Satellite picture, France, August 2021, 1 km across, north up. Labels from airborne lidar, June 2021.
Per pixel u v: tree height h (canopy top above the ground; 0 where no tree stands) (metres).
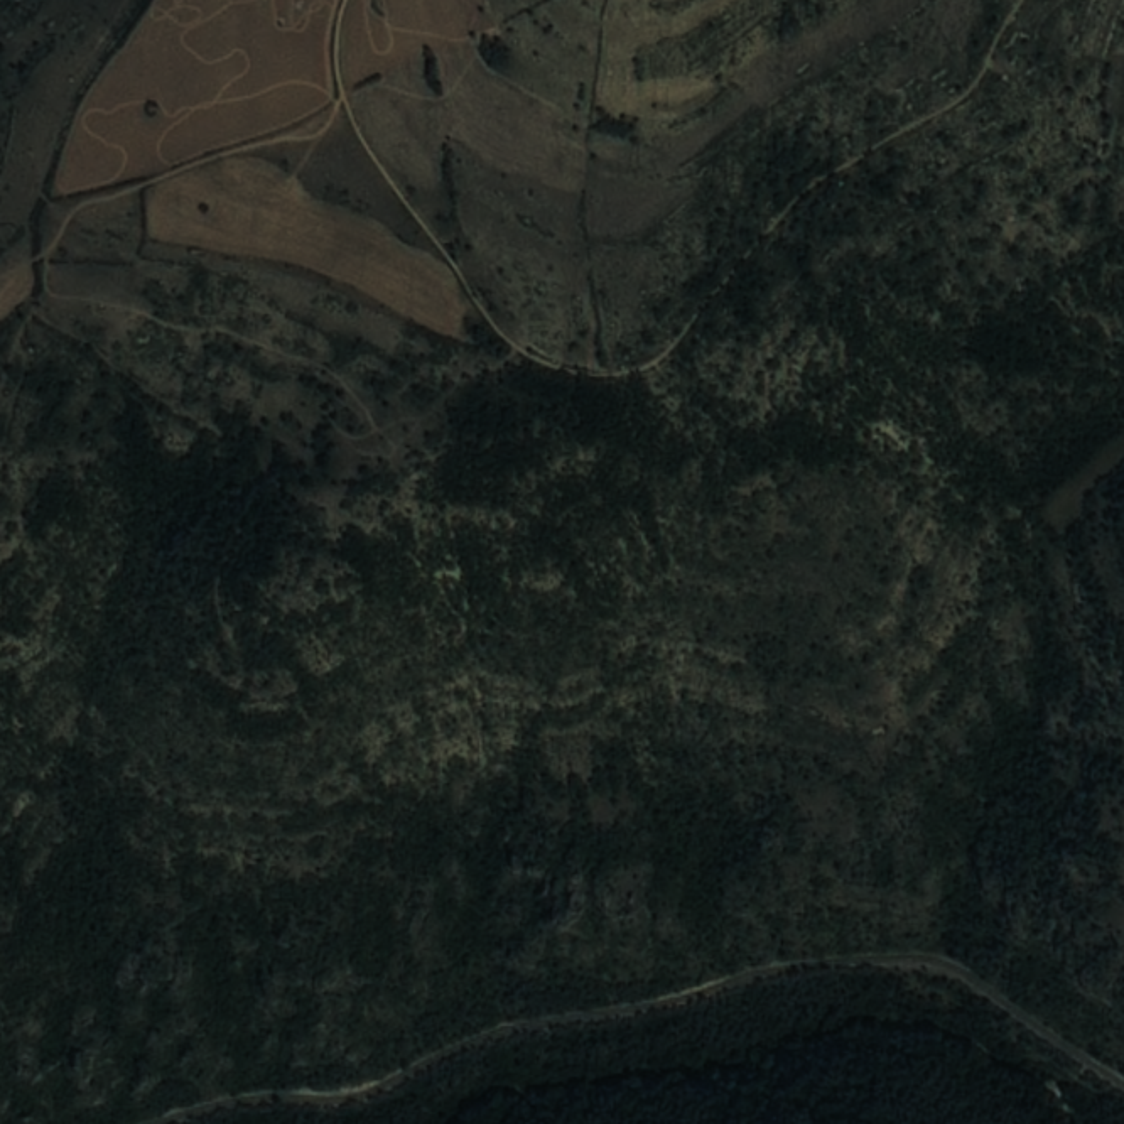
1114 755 7
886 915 10
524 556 6
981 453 8
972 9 0
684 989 9
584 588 9
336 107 0
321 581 6
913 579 7
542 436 6
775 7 0
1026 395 6
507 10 0
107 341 0
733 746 7
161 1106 9
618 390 10
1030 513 8
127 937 9
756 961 6
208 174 0
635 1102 18
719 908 11
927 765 8
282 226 0
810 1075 21
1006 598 7
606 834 9
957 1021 16
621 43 0
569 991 13
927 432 8
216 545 7
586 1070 21
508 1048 10
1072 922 5
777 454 7
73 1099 8
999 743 12
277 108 0
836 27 0
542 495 7
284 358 0
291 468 13
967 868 13
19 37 0
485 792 8
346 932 8
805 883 6
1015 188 7
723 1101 18
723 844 14
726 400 6
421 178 0
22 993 6
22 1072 14
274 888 5
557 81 0
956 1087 19
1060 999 8
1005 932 11
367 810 8
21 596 6
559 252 0
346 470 0
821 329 6
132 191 0
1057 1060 10
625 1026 11
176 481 10
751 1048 20
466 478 7
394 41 0
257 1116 10
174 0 0
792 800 11
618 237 0
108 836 9
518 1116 16
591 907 12
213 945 10
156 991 13
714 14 0
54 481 9
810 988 16
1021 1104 14
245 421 7
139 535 8
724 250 7
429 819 7
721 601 5
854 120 0
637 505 7
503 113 0
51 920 11
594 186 0
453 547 6
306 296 0
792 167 8
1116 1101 13
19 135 0
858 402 9
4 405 0
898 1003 10
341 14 0
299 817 7
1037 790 9
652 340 7
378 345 0
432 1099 12
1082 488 0
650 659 7
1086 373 8
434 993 6
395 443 0
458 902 12
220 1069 7
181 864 7
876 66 0
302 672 8
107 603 8
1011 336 11
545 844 11
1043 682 8
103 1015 9
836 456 9
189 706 6
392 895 8
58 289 0
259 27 0
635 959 9
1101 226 8
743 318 11
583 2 0
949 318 9
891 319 7
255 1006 8
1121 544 6
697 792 8
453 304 0
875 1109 18
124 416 8
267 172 0
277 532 8
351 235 0
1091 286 9
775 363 7
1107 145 7
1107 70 6
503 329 0
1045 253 7
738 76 0
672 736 9
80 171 0
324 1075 10
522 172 0
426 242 0
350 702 6
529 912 7
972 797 11
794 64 0
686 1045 12
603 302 0
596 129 7
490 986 8
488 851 9
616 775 7
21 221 0
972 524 8
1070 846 9
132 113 0
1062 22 0
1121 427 7
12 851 9
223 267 0
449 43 0
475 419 8
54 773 7
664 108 0
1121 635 8
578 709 6
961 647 6
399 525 7
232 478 8
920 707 0
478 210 0
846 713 0
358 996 10
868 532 8
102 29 0
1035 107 0
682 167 0
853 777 11
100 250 0
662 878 9
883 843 6
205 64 0
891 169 7
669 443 9
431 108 0
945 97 0
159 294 0
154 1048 6
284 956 7
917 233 11
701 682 0
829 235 8
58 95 0
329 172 0
